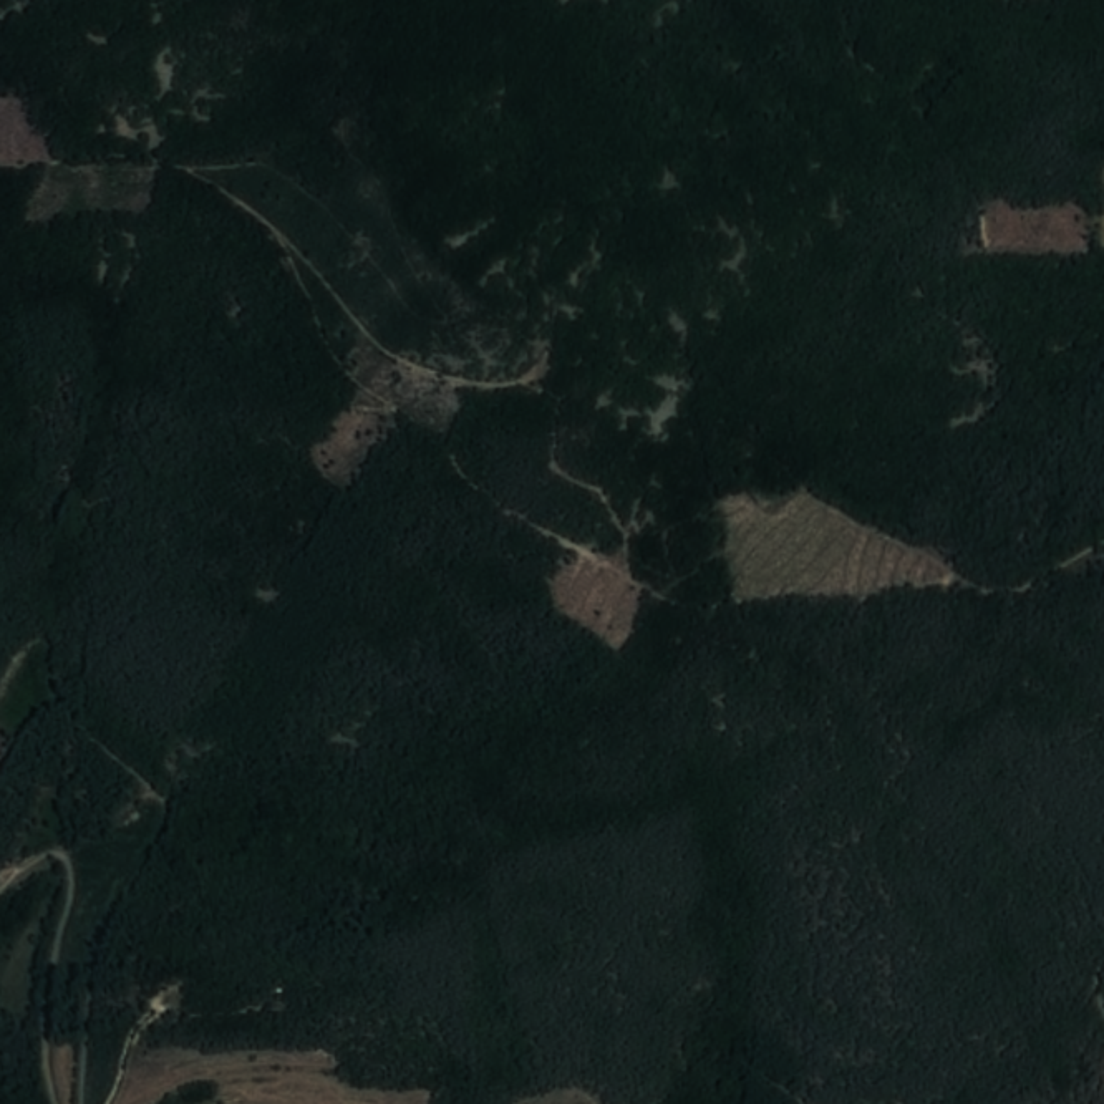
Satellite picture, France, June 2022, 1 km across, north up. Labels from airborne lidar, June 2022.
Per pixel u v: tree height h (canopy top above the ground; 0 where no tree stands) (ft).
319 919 28
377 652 60
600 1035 35
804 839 36
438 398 0
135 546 55
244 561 48
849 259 37
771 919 41
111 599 61
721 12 41
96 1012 29
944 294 34
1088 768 47
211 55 24
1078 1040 42
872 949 28
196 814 56
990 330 41
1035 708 54
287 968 29
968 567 53
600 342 33
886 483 55
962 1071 32
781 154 37
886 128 45
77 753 41
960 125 53
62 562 52
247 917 39
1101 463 60
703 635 18
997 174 38
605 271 31
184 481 40
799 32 48
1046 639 51
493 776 36
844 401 45
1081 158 44
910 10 54
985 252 30
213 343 44
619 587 0
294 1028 35
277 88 44
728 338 38
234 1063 0
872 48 49
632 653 29
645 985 41
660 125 43
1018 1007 27
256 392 45
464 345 25
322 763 31
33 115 45
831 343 52
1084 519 49
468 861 25
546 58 56
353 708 44
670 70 38
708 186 40
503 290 20
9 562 62
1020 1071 49
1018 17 63
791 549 0
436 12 58
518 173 23
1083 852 47
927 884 43
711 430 45
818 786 33
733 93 45
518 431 41
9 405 54
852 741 28
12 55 42
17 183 39
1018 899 60
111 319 57
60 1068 0
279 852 58
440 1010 45
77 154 55
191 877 38
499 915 47
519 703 27
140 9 21
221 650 52
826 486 50
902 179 32
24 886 33
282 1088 0
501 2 62
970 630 48
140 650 50
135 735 31
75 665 38
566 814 43
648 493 27
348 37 62
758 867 43
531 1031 40
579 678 47
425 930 50
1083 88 44
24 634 64
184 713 44
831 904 36
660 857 47
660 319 47
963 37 51
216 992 28
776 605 49
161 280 40
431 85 45
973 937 56
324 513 43
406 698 54
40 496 46
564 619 36
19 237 46
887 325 48
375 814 44
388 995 38
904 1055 30
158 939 41
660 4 26
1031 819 47
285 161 39
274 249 46
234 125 49
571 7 39
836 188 25
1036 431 61
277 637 46
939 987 31
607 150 54
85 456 46
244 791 54
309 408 37
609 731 44
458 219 27
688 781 51
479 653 42
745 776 40
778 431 49
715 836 45
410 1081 38
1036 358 36
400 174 20
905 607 52
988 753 54
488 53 61
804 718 30
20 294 62
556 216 23
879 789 37
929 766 52
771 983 48
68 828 31
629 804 54
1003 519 55
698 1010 39
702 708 31
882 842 35
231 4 29
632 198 32
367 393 0
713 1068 53
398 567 40
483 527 44
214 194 52
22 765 80
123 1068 21
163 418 57
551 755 43
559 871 53
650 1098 34
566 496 24
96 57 51
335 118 31
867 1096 28
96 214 49
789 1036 33
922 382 50
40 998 38
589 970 38
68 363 98
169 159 47
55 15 42
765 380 47
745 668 38
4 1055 43
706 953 43
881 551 0
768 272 30
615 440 35
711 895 50
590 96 45
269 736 42
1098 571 40
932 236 53
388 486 45
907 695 35
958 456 52
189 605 55
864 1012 23
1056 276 51
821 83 44
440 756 51
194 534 51
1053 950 44
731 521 0
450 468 32
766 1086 66
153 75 39
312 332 36
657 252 40
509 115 32
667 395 23
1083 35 56
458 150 31
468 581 46
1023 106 44
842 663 40
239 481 43
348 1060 19
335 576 69
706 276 25
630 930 44
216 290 29
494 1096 37
